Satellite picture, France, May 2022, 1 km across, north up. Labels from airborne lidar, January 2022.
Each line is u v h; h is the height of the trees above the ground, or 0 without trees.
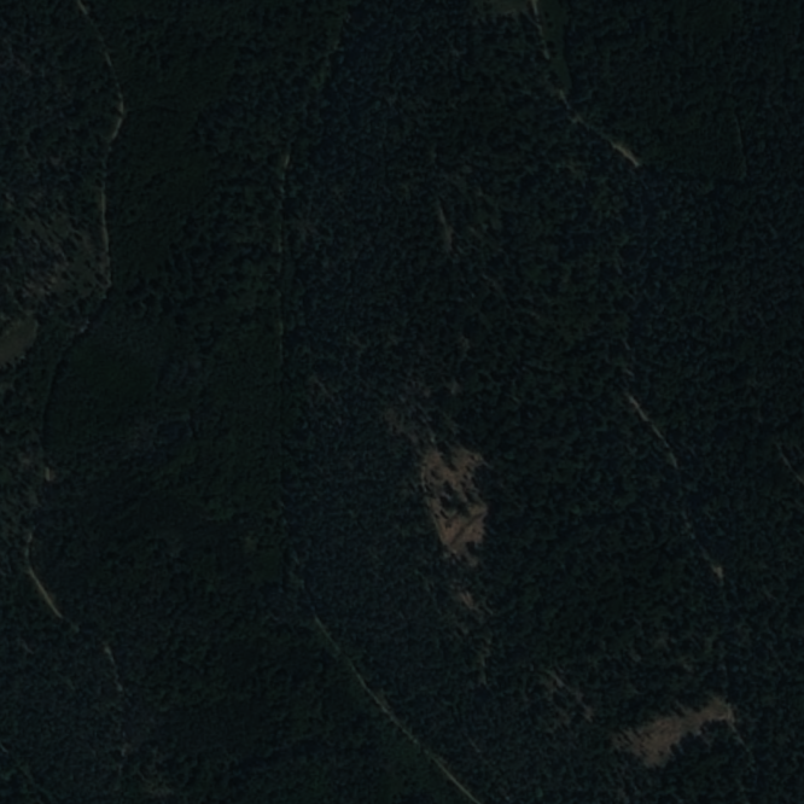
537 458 35
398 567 21
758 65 19
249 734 14
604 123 36
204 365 16
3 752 31
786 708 21
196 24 13
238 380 17
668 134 22
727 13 17
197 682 21
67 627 20
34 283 23
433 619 23
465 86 28
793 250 26
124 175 17
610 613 14
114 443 24
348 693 16
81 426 19
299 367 17
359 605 22
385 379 23
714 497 31
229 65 15
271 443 15
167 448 26
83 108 23
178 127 19
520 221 36
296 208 21
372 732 22
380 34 30
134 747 22
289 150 7
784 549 25
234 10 25
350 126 14
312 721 21
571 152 21
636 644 24
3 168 27
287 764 23
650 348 23
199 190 16
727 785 19
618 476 35
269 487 14
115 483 13
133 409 27
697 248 29
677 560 20
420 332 29
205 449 16
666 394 15
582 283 29
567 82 0
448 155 14
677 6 31
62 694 21
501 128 12
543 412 37
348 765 24
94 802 22
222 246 34
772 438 20
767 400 23
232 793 19
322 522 21
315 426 26
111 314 19
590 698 28
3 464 13
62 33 21
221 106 12
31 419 14
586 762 9
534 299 35
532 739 24
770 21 30
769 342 24
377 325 29
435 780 22
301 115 33
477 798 10
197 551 13
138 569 17
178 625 26
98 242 13
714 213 31
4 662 25
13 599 13
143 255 11
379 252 25
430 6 28
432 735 11
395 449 23
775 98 21
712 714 0
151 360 18
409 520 24
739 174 14
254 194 15
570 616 11
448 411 25
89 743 27
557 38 0
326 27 19
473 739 22
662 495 12
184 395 20
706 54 24
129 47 15
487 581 27
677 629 19
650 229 35
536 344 41
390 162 28
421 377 18
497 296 10
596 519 32
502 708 28
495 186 35
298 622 26
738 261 29
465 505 11
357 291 24
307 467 21
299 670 15
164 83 17
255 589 15
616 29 27
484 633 18
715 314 25
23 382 9
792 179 10
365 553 25
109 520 18
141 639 29
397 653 21
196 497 10
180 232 15
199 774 19
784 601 24
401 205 19
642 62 22
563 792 14
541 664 7
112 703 19
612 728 11
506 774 23
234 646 14
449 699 33
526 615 35
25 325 0
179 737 16
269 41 19
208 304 32
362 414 29
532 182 36
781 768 28
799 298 24
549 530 35
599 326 25
